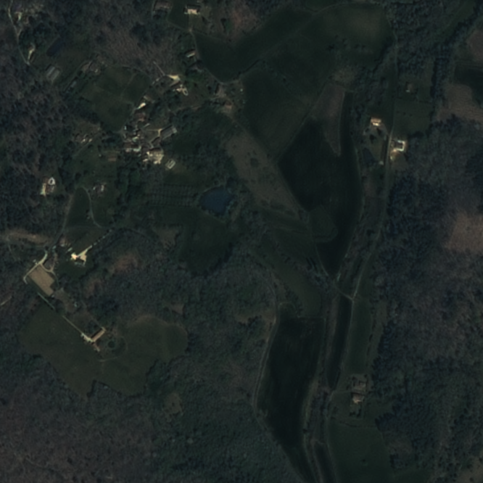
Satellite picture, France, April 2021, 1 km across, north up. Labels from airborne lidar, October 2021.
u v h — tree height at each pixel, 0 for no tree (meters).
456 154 17
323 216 0
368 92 6
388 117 0
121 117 0
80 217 0
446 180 20
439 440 18
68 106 16
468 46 14
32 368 13
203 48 0
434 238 25
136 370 0
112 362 0
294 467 0
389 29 0
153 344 0
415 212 18
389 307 10
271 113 0
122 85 0
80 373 0
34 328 0
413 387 20
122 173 18
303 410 0
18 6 20
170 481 17
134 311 21
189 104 0
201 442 14
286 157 0
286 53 0
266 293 15
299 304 14
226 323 23
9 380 12
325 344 7
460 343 16
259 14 14
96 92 0
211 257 0
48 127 10
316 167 0
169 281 23
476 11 6
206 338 19
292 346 0
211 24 8
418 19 19
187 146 0
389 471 0
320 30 0
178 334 0
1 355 15
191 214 0
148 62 18
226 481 18
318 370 0
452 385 19
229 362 22
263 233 12
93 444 9
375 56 0
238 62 0
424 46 17
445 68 20
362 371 0
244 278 19
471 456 17
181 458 14
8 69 16
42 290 0
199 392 17
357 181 0
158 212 8
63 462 12
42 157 11
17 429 8
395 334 9
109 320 16
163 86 12
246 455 10
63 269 0
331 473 0
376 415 0
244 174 0
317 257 0
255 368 19
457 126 22
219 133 0
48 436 11
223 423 14
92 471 6
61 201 16
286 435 0
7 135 15
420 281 24
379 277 15
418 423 22
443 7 13
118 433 18
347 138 0
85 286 14
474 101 0
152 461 15
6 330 13
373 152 0
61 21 25
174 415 9
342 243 0
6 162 8
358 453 0
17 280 17
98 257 19
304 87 0
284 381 0
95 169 0
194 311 21
